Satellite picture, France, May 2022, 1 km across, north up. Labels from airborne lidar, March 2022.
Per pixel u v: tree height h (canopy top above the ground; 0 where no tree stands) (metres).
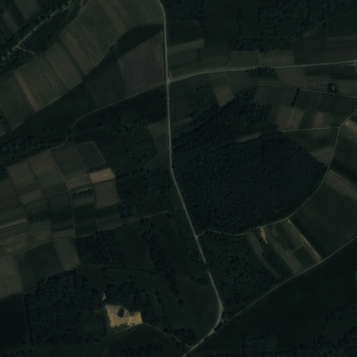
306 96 0
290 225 0
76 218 0
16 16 0
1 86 0
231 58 0
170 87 0
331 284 0
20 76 0
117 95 0
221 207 21
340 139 0
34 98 0
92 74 0
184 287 0
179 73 0
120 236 0
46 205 0
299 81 0
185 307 0
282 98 0
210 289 0
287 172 16
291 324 0
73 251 0
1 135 0
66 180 0
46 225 0
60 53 0
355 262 0
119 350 0
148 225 14
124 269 8
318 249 0
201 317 0
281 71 0
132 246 0
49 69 0
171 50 0
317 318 0
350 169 0
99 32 0
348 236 0
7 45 7
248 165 16
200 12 14
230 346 0
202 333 0
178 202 0
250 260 0
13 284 0
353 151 0
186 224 0
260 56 0
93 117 0
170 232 0
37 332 16
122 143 0
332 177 0
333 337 0
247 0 0
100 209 0
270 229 0
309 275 0
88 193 6
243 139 0
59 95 0
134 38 0
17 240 0
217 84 0
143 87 0
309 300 0
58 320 21
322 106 0
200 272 0
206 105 0
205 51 0
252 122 15
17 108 0
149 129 0
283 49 9
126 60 0
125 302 26
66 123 0
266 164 16
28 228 0
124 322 0
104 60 0
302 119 0
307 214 0
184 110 0
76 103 0
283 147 13
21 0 0
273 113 0
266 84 0
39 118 0
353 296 0
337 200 0
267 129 0
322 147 0
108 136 0
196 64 0
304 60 0
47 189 0
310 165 17
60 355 0
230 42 0
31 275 0
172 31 0
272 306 0
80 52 0
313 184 15
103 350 0
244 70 0
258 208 15
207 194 11
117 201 0
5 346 0
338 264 0
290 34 7
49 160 0
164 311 8
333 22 0
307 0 7
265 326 0
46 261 0
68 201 0
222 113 16
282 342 0
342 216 0
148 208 0
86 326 0
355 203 0
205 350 0
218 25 0
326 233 0
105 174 0
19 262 0
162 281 0
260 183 18
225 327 0
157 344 0
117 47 0
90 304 25
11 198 0
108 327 0
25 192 0
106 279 15
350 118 0
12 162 6
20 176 0
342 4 8
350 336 20
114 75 0
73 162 0
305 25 17
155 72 0
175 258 0
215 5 0
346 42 0
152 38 0
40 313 37
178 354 0
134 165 0
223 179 14
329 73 0
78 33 0
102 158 0
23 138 0
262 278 12
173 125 0
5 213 0
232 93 0
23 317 0
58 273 0
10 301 0
